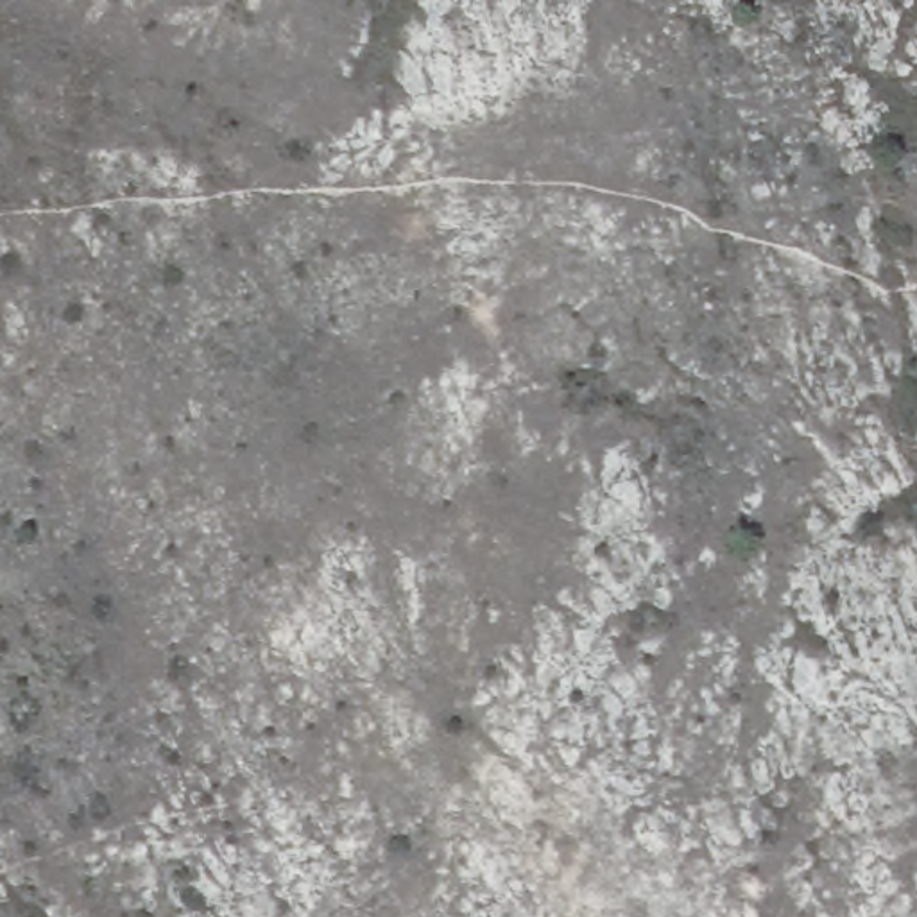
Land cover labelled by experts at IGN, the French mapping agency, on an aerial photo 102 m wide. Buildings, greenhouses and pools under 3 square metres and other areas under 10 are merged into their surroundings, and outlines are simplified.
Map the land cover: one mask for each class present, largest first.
<instances>
[{"label":"bare soil","instance_id":"1","mask_svg":"<svg viewBox=\"0 0 917 917\"><path fill-rule=\"evenodd\" d=\"M426 21L408 25L401 75H394L390 82L355 90L351 64L365 54L373 25L365 0H0V917H917V530L903 523V505L892 498L913 484V476L892 441V430H885L881 416H860L856 405L870 394H888L899 383L903 362L917 351V154H903V179H888V172L874 165L870 140L878 133V118L885 115V104L870 100L867 79L870 72L910 75L917 68V32L910 43L896 36L899 14L888 7V0H419ZM878 215L913 222V244H903L899 258L878 254ZM562 369H598L609 376L616 390L634 394L638 401H656L670 394L702 398L713 408V437L702 441L706 466L713 469L709 484H695L688 473L670 466V448L656 437L648 423H630L616 408L566 412L559 380ZM741 516L763 523L752 566L734 562L727 555V534L741 530ZM638 602H656L663 609L670 605L681 623L663 638H645L641 645L623 648L616 656V638L623 627L613 613H627ZM18 749H32V763L47 777L50 795L36 799L21 792L14 777Z\"/></svg>","mask_w":917,"mask_h":917},{"label":"brushwood","instance_id":"2","mask_svg":"<svg viewBox=\"0 0 917 917\"><path fill-rule=\"evenodd\" d=\"M373 25L365 54L351 64L355 90L390 82L394 75H401L408 25L426 21L419 0H365ZM888 7L899 14L896 36L910 43L917 32V0H888ZM870 100L885 104V115L878 118V133L870 140L874 165L888 172V179H903V154H917V68L910 75L870 72L867 79ZM878 254L899 258L903 244H913V222L878 215ZM860 416H881L885 430H892V441L913 476V484L892 498L903 505V523L917 530V351L903 362L899 383L888 394H870L856 405ZM559 380L566 412L616 408L630 423H648L656 437L670 448V466L688 473L695 484H709L713 469L706 466L702 441L713 437V408L702 398L670 394L656 401H638L634 394L616 390L609 376L598 369H562ZM763 523L741 516V530L727 534V555L734 562L752 566ZM623 627L616 638V656L623 648L641 645L645 638H663L681 623L670 605L663 609L656 602H638L627 613H613ZM14 777L21 792L36 799L50 795L47 777L32 763V749H18Z\"/></svg>","mask_w":917,"mask_h":917}]
</instances>
